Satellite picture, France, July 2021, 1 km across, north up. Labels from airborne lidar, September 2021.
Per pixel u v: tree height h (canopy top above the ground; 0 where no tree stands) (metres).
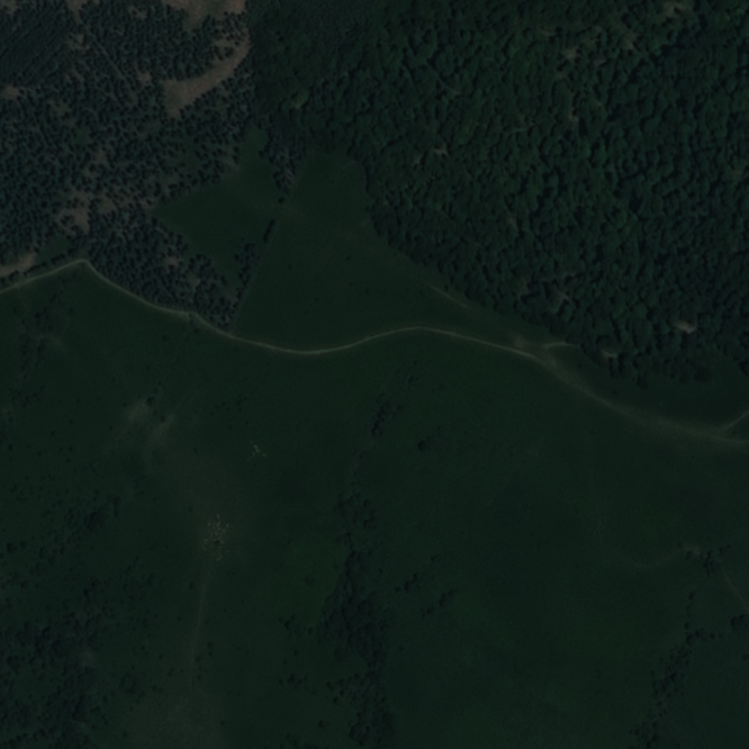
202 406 0
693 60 37
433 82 32
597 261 13
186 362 0
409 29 27
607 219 17
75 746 9
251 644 0
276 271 0
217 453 0
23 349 6
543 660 0
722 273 29
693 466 0
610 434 0
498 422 0
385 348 0
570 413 0
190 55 17
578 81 25
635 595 0
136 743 0
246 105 18
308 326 0
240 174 0
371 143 23
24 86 14
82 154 16
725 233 28
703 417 0
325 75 18
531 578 0
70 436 0
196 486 0
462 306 0
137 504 0
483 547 0
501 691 0
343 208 0
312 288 0
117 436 0
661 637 0
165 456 0
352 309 0
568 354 0
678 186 30
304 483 0
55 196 17
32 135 16
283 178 15
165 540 0
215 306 12
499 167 32
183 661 0
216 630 0
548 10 19
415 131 23
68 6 13
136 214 16
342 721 0
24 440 0
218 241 0
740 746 0
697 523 0
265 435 0
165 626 0
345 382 0
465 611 0
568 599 0
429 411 0
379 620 13
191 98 0
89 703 14
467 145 17
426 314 0
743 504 0
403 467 0
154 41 15
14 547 13
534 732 0
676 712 0
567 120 34
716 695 0
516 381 0
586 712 0
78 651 12
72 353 0
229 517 0
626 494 0
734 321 27
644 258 30
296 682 18
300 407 0
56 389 0
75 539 6
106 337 0
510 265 28
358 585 21
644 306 27
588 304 28
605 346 29
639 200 24
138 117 13
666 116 24
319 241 0
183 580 0
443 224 27
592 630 0
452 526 0
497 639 0
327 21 18
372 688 20
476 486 0
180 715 0
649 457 0
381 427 20
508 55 27
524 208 33
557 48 30
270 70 27
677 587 0
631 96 38
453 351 0
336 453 0
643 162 28
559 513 0
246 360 0
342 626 10
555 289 29
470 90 30
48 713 8
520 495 0
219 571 0
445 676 0
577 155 34
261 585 0
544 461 0
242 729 0
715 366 17
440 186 32
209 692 0
